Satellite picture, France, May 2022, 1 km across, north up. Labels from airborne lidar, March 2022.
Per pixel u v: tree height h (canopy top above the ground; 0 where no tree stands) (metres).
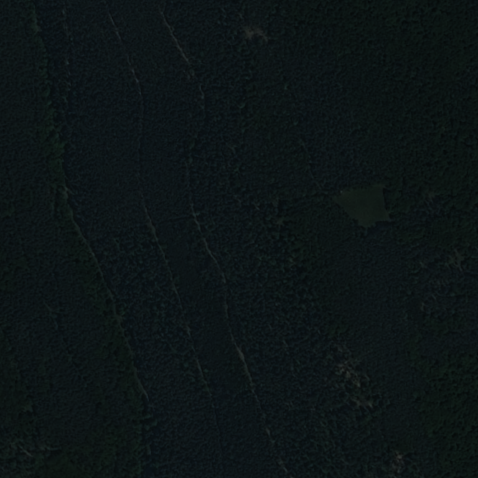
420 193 19
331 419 28
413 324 20
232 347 14
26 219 30
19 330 25
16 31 31
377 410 23
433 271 21
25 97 29
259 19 22
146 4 22
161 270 28
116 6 19
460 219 27
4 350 13
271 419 28
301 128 30
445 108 23
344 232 17
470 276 24
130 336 14
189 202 22
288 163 22
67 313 28
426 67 27
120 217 21
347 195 0
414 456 18
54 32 25
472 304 24
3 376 11
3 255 24
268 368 20
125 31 24
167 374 28
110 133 27
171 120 22
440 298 20
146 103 21
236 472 23
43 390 20
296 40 27
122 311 14
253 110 24
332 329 19
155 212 21
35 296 27
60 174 23
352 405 26
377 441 19
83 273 22
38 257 31
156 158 22
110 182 25
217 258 26
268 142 21
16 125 27
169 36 25
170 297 35
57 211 15
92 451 27
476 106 26
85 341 23
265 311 27
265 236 31
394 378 19
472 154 24
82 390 28
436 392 19
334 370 26
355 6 24
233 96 29
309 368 28
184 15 22
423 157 19
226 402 17
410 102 23
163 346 19
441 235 21
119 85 25
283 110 20
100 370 25
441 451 21
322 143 30
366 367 20
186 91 14
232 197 29
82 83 30
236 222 31
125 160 23
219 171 29
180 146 26
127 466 24
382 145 22
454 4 26
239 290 28
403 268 20
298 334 27
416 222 20
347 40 20
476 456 22
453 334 22
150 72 19
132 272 27
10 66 30
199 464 28
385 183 14
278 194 24
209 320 14
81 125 23
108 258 24
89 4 24
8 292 29
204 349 14
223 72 25
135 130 25
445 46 24
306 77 25
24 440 27
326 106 32
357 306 23
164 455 28
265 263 31
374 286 19
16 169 28
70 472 20
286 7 24
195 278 13
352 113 24
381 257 23
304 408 18
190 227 14
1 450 25
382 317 20
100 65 26
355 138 22
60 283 27
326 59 29
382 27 26
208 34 27
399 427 19
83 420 28
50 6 26
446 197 22
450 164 22
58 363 29
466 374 24
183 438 28
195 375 8
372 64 24
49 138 26
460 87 23
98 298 26
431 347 22
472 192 23
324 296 18
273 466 24
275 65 23
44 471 14
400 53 23
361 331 19
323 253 18
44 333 28
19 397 10
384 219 0
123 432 28
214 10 30
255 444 17
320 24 25
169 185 21
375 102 25
